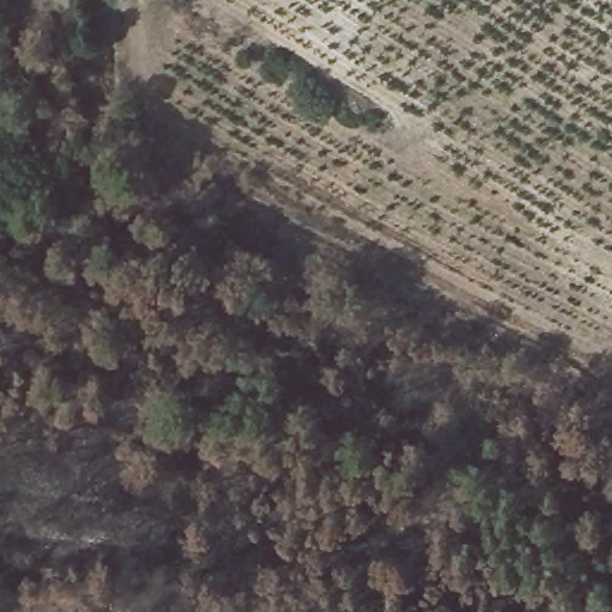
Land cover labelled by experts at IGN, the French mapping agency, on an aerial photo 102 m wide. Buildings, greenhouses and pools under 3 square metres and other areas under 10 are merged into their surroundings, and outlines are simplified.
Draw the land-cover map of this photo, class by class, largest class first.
<instances>
[{"label":"coniferous trees","instance_id":"1","mask_svg":"<svg viewBox=\"0 0 612 612\"><path fill-rule=\"evenodd\" d=\"M139 19V10H117V0H0V612H612V354L598 351L590 356L586 366L571 359V339L567 335L540 332L538 337H528L516 330H509L504 320L512 316V308L495 301L485 308V316H476L471 308L459 306L457 301H449L435 289L426 287V265L421 261H409L406 253H402L399 249H387L378 241H371L347 230V225L339 218L316 215L311 206L289 198V191L284 186L273 184L268 175V163H230L227 146H218L213 141L210 129L186 120L172 105L170 96L175 91V81L170 77L153 74L151 79H141L129 69L127 60L115 57V43L127 38L129 29Z\"/></svg>","mask_w":612,"mask_h":612},{"label":"vineyard","instance_id":"2","mask_svg":"<svg viewBox=\"0 0 612 612\"><path fill-rule=\"evenodd\" d=\"M117 10H139V19L129 29L127 38L115 43V57L127 60L129 69L141 79H151L153 74L170 77L175 81V91L170 96L172 105L186 120L210 129L213 141L218 146H227L230 163H268V175L273 184L284 186L289 191V198L311 206L316 215L339 218L347 225V230L371 241H378L387 249H399L402 253H406L409 261H421L426 265V287L435 289L449 301H457L459 306L471 308L476 316H485V308L495 301L512 308V316L504 320L509 330H516L528 337H538L540 332L567 335L571 339V359L586 366L590 356L598 351L612 354V0H117Z\"/></svg>","mask_w":612,"mask_h":612}]
</instances>
